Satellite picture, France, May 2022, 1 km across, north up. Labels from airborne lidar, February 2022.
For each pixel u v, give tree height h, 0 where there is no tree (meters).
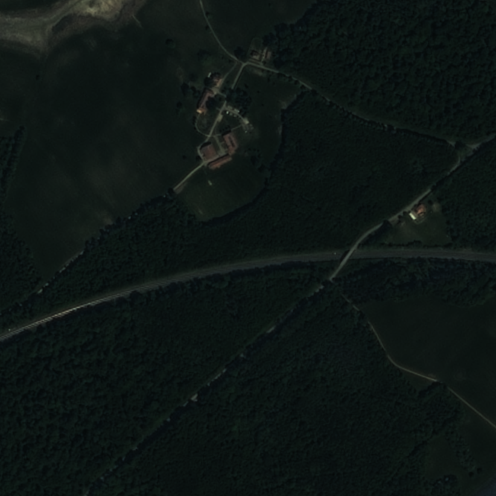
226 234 21
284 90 0
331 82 18
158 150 0
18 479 25
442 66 23
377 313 0
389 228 21
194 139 0
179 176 0
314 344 23
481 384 0
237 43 0
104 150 0
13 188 0
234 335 17
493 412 0
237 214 15
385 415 11
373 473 12
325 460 13
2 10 0
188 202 0
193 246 16
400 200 16
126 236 21
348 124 15
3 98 0
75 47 0
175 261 22
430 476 0
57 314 0
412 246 6
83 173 0
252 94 0
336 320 19
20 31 0
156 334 20
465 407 0
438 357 0
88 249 12
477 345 0
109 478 22
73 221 0
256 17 0
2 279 14
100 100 0
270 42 24
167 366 29
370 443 13
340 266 0
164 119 0
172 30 0
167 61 0
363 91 17
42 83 0
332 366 20
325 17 21
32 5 0
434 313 0
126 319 23
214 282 20
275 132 0
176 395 17
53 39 0
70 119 0
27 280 19
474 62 24
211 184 0
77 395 25
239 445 16
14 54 0
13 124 0
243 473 17
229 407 24
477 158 8
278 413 26
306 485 9
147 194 0
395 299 6
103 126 0
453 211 16
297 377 25
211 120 0
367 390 15
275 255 18
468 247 9
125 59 0
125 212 0
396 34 22
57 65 0
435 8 20
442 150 20
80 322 23
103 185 0
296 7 0
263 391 24
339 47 23
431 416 14
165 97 0
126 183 0
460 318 0
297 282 24
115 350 29
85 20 0
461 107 24
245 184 0
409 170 20
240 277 18
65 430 27
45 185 0
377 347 19
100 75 0
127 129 0
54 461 20
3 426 29
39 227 0
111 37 0
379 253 0
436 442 0
